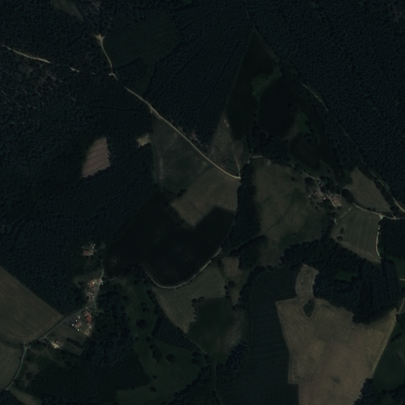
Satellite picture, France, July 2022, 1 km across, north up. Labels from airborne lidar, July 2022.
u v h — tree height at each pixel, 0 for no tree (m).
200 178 0
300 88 22
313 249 20
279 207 0
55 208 23
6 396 20
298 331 0
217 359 0
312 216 0
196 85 21
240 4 21
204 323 0
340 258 16
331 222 9
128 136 20
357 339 0
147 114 19
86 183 20
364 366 0
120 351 34
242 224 21
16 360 0
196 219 0
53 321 0
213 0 22
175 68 25
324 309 0
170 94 23
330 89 28
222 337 0
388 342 0
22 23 14
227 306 0
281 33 40
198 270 12
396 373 0
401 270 0
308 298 0
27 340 0
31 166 24
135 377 10
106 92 15
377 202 0
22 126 23
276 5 25
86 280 0
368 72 29
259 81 0
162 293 0
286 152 20
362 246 0
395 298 33
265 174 0
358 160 21
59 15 21
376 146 28
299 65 29
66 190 22
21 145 26
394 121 27
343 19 28
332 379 0
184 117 25
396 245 10
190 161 0
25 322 0
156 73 15
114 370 7
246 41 22
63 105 16
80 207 22
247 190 21
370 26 27
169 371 0
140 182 21
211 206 0
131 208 21
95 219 18
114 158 18
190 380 0
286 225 0
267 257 0
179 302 0
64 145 29
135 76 19
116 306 29
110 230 21
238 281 0
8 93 20
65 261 31
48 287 32
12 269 29
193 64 24
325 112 23
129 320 14
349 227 0
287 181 0
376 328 0
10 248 15
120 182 25
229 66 22
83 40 17
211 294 0
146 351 0
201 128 20
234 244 20
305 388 0
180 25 24
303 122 0
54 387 6
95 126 18
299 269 12
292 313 0
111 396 10
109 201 21
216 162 0
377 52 29
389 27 25
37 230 30
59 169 24
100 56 11
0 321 0
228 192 0
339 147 19
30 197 27
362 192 0
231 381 6
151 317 0
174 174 0
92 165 0
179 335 18
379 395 24
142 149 17
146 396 0
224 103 22
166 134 0
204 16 21
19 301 0
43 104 16
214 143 0
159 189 15
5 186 20
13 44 13
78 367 6
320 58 34
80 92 16
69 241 29
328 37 29
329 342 0
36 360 0
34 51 19
